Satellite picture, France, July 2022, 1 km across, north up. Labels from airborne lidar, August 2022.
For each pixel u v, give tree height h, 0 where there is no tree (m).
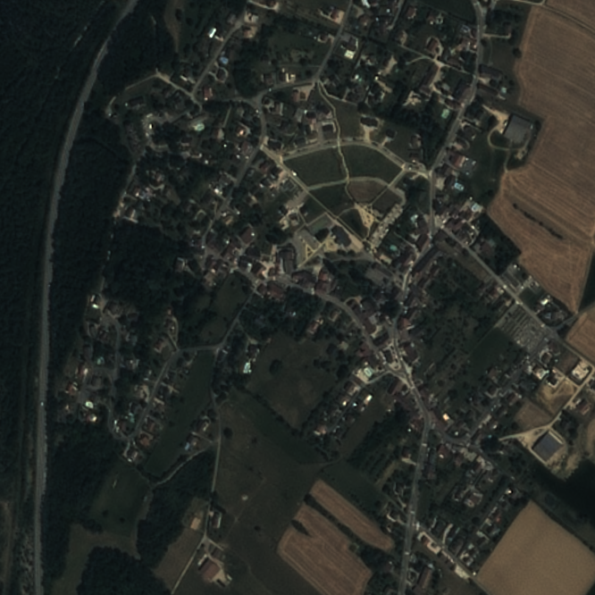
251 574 0
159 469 0
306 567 0
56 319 14
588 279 0
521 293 0
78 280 14
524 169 0
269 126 8
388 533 7
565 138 0
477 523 8
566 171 0
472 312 7
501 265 12
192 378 0
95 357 8
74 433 13
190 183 8
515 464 6
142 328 15
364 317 0
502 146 0
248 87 11
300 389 0
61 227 13
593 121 0
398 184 0
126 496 0
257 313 6
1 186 15
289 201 0
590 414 0
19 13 15
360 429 0
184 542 0
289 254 0
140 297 21
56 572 12
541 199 0
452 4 0
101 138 8
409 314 0
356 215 0
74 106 9
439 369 8
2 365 9
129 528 0
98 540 0
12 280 16
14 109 13
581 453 0
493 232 10
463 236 0
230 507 0
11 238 11
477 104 13
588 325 0
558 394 0
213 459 6
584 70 0
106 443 17
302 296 12
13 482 0
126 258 23
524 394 12
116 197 17
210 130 7
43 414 0
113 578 17
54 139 15
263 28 9
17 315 14
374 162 0
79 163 15
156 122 0
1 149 18
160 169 10
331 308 10
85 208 18
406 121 14
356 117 0
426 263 0
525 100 0
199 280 6
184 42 0
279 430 0
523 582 0
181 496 7
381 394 0
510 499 7
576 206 0
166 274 9
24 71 10
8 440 9
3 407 8
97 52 9
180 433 0
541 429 0
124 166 16
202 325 8
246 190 15
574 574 0
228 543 0
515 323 0
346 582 0
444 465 0
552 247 0
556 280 0
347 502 0
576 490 0
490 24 17
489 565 0
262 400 7
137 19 12
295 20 15
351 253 8
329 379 0
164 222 8
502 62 0
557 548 0
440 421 0
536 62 0
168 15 0
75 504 22
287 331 10
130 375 19
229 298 0
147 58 16
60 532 13
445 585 0
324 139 0
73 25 8
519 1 0
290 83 0
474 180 0
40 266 14
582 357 0
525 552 0
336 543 0
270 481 0
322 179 0
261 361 0
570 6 0
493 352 0
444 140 20
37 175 12
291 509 0
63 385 0
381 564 13
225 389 10
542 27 0
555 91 0
